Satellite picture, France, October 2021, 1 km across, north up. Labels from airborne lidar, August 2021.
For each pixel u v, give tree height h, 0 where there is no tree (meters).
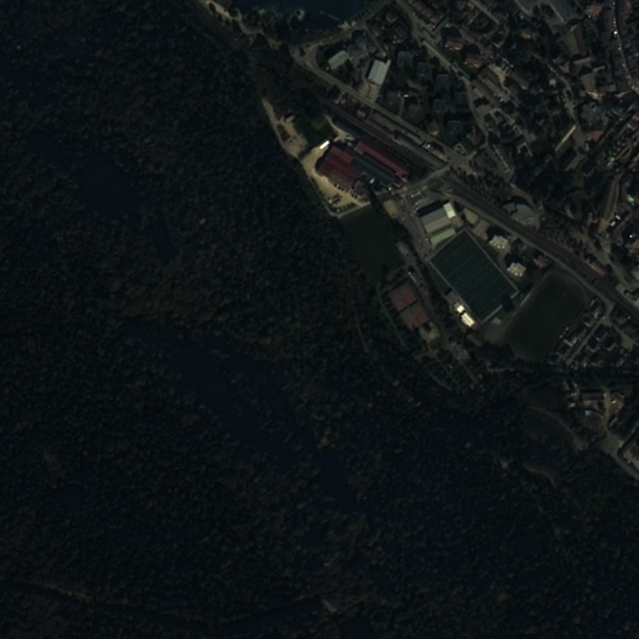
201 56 13
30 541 21
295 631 29
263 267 18
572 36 0
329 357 9
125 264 9
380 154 0
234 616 16
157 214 18
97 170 15
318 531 14
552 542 10
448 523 18
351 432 18
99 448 11
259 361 15
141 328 28
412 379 10
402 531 12
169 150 15
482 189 6
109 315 21
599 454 13
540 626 20
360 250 0
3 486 31
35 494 25
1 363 31
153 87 12
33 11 19
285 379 21
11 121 17
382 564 18
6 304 25
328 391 17
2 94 12
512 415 21
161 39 15
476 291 0
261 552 11
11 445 27
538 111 14
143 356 12
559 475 15
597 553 10
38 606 21
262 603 19
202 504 16
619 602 19
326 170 0
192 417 19
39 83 19
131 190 16
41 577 11
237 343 17
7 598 15
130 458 18
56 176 13
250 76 10
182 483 18
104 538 15
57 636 21
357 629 23
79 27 17
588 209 11
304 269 6
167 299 19
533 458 22
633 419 9
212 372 24
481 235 0
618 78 0
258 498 20
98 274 7
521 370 9
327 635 14
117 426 16
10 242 26
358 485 19
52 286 22
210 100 18
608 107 16
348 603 20
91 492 25
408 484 17
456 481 9
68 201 14
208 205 19
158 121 10
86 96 19
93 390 9
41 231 31
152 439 21
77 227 11
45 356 9
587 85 0
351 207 0
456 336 10
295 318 14
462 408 15
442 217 0
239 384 16
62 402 12
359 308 14
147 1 18
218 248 16
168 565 22
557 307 0
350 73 14
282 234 8
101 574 11
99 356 14
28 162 9
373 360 12
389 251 0
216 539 17
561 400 10
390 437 12
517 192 0
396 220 0
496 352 9
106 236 13
